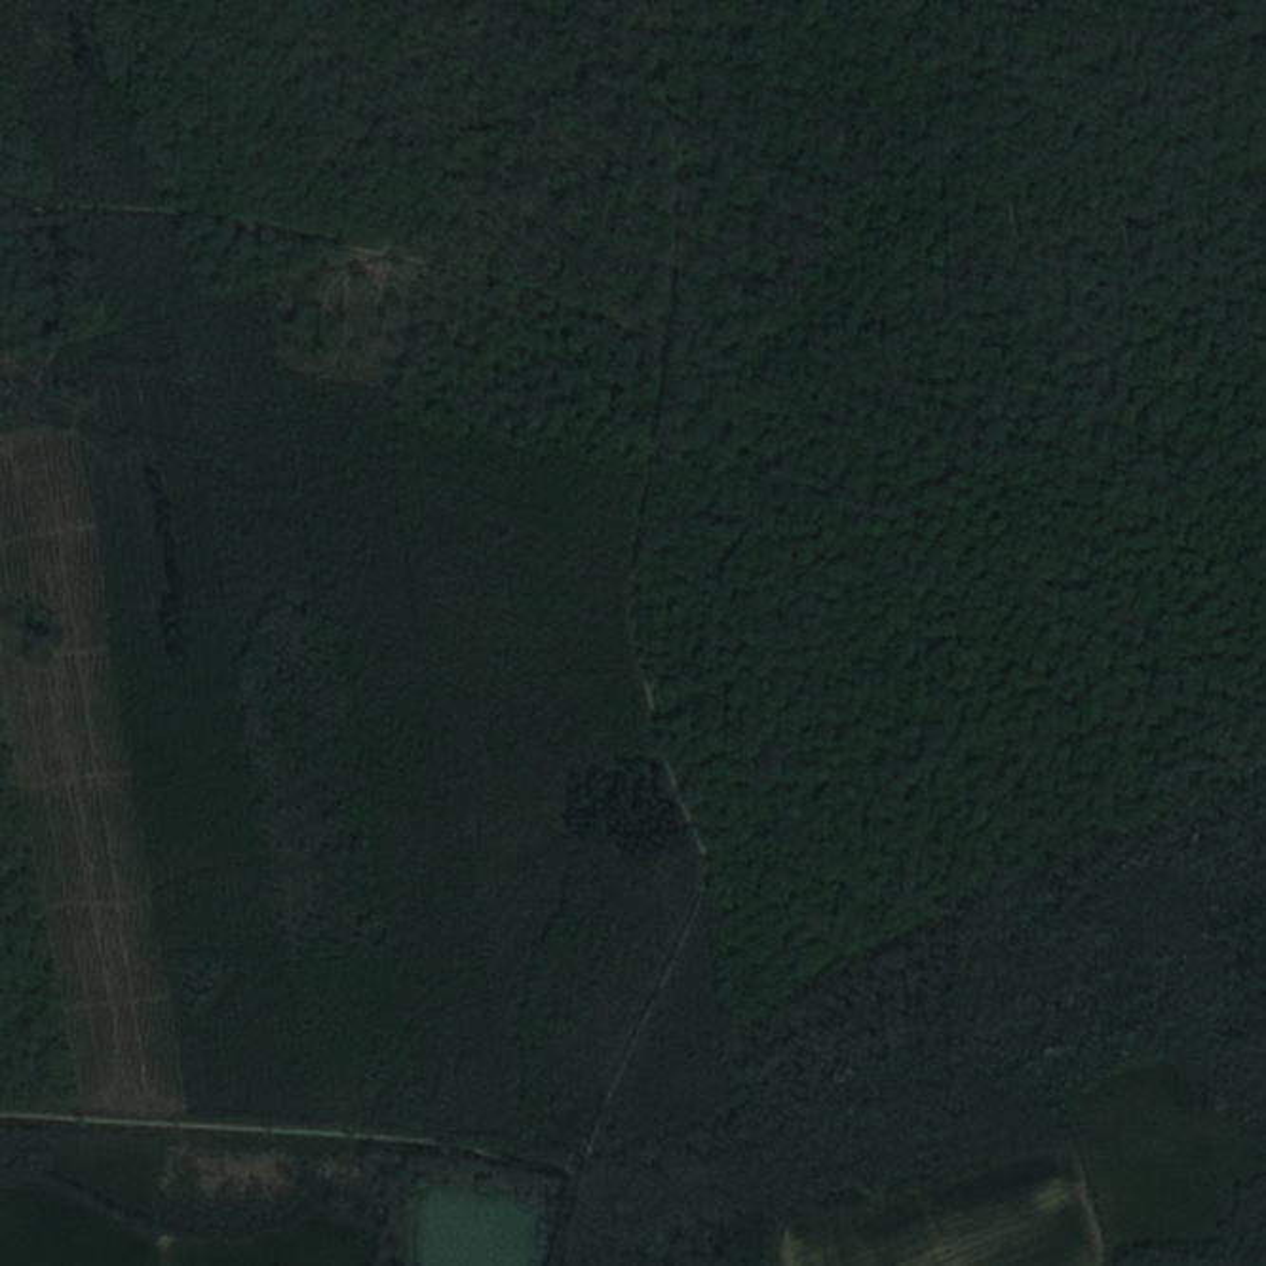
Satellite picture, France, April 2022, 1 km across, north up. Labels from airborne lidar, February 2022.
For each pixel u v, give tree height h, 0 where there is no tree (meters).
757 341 24
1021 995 18
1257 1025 20
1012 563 26
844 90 23
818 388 23
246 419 15
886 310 21
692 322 24
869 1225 0
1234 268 22
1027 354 20
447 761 11
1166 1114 0
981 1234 0
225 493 16
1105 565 21
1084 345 24
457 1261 0
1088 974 22
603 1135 21
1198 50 25
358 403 8
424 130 26
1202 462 17
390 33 26
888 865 16
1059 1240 0
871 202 19
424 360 23
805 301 20
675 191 28
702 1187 21
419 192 23
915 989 22
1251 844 24
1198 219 27
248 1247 0
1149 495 18
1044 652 22
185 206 12
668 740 24
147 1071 0
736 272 24
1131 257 23
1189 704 24
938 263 23
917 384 22
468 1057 7
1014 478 18
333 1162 0
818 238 26
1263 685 19
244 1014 6
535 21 29
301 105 22
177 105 25
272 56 27
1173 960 18
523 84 29
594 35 29
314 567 11
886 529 19
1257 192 21
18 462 0
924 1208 0
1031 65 26
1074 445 23
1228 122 23
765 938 20
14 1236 0
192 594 6
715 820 22
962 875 21
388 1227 16
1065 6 19
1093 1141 0
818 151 22
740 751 22
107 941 0
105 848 0
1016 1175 0
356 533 9
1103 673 19
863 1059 22
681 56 27
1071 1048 15
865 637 17
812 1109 21
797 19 25
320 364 27
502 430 25
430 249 23
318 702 18
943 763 28
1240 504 21
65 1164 0
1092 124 21
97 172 11
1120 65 18
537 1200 10
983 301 25
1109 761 15
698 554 21
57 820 0
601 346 25
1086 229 21
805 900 21
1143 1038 17
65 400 18
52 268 21
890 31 20
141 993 0
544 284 25
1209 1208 0
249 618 11
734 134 26
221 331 13
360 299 0
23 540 0
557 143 26
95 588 0
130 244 11
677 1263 7
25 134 25
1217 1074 12
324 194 21
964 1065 26
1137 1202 0
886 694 21
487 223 26
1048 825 19
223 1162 0
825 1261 0
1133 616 23
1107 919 21
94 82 9
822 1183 19
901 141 21
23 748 0
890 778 18
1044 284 26
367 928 17
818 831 23
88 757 0
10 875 25
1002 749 17
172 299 12
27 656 7
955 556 24
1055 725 19
